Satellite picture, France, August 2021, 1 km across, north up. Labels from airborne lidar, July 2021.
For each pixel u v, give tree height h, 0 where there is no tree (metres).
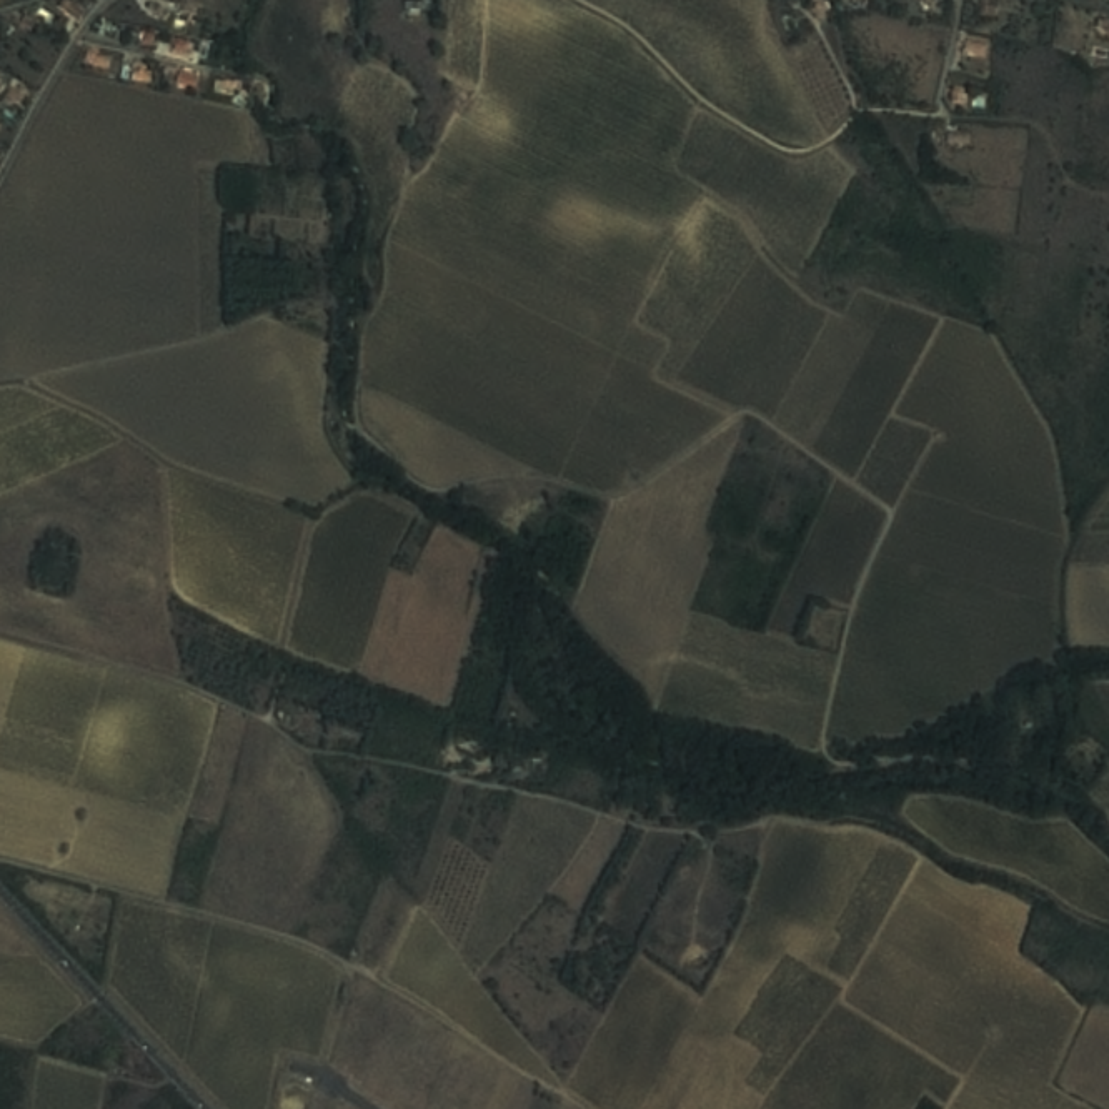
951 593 0
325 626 0
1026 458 0
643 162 0
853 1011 0
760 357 0
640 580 0
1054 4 6
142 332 0
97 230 0
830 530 0
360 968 0
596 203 0
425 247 0
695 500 0
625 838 8
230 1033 0
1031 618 0
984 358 0
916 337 0
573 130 0
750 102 0
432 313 0
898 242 8
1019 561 0
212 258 0
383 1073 0
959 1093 0
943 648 0
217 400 0
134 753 0
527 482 0
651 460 0
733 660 0
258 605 0
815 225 0
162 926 0
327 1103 0
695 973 0
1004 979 0
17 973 0
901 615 0
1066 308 0
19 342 0
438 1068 0
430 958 0
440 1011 0
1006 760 29
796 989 0
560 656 14
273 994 0
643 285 0
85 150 0
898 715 0
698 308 0
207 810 0
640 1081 0
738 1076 0
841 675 0
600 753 13
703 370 0
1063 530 0
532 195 0
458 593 0
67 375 0
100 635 0
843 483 0
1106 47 0
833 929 0
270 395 0
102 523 0
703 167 0
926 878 0
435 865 0
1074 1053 0
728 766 18
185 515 0
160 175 0
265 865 0
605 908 6
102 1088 0
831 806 9
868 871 0
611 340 0
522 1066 0
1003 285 0
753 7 0
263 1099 0
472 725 10
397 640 0
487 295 0
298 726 0
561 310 0
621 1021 0
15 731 0
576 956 8
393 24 0
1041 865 0
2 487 0
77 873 0
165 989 0
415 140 13
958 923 0
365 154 0
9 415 0
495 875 0
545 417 0
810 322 0
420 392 0
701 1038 0
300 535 0
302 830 0
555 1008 0
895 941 0
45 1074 0
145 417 0
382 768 0
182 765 0
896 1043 0
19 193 0
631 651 0
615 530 0
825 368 0
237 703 8
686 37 0
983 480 0
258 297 18
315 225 0
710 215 0
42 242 0
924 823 0
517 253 0
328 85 0
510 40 0
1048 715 30
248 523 0
